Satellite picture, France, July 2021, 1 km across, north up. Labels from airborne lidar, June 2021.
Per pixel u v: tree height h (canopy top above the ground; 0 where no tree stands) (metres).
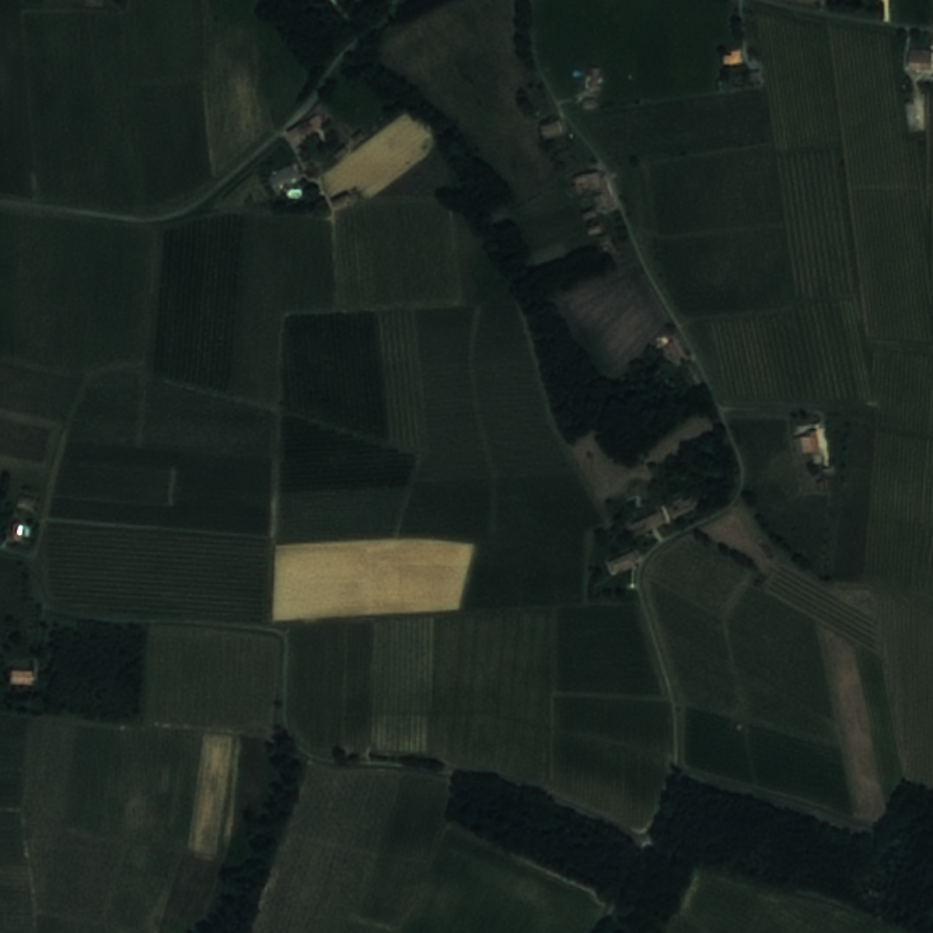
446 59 0
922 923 14
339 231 0
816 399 0
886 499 0
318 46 19
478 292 0
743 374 0
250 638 0
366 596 0
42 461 0
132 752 0
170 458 0
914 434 0
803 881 16
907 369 0
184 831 0
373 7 13
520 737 0
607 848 14
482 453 0
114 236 0
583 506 0
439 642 0
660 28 0
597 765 0
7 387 0
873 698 0
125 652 14
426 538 0
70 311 0
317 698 0
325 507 0
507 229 15
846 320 0
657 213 0
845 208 0
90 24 0
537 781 0
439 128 13
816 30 0
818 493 0
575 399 14
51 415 0
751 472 0
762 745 0
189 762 0
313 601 0
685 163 0
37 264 0
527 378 0
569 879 10
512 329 0
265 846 24
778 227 0
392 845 0
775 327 0
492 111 0
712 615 0
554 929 0
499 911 0
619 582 0
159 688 0
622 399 27
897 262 0
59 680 7
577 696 0
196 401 0
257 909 20
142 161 0
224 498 0
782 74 0
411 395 0
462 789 14
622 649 0
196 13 0
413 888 0
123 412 0
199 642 0
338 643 0
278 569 0
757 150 0
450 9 0
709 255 0
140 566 0
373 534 0
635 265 0
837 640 0
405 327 0
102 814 0
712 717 0
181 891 0
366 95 0
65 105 0
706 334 0
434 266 0
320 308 0
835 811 0
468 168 18
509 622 0
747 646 0
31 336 0
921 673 0
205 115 0
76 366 0
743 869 14
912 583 0
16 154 0
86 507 0
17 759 0
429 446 0
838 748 0
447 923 0
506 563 0
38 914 0
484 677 0
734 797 15
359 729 0
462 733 0
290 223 0
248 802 0
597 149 0
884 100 0
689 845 18
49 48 0
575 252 8
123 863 0
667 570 0
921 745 0
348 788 0
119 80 0
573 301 0
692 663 0
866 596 0
